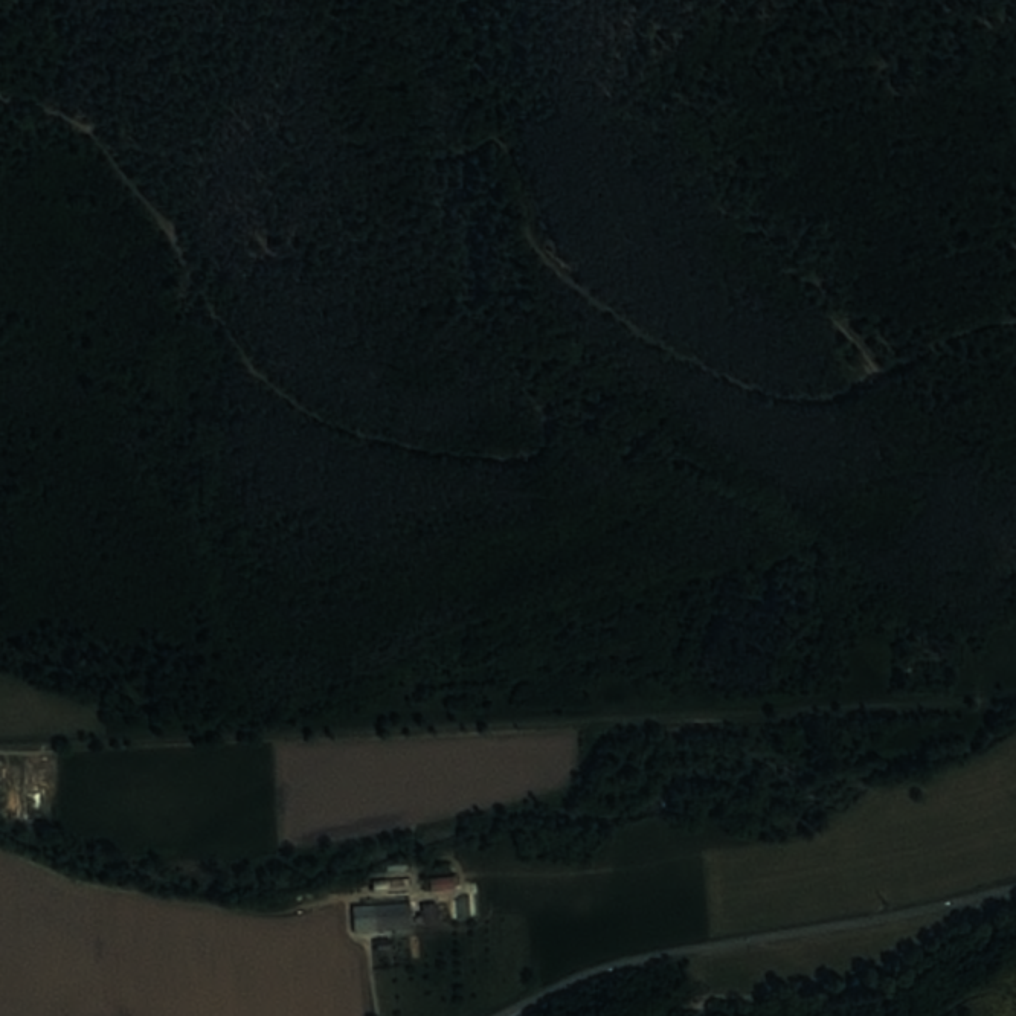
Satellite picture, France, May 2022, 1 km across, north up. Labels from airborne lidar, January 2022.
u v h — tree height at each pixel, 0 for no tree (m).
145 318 13
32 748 0
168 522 18
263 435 24
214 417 16
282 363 17
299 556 23
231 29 24
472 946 0
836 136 13
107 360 13
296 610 22
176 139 24
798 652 23
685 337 20
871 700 0
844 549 21
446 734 0
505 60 14
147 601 11
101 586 12
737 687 20
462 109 28
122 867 19
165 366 15
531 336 26
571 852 15
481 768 0
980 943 17
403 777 0
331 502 23
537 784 0
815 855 0
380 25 24
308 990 0
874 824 0
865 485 19
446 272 20
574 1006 10
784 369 20
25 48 11
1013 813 0
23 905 0
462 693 7
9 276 13
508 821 16
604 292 20
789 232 10
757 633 22
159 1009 0
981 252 13
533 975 16
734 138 13
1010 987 0
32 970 0
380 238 20
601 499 19
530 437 15
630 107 17
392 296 22
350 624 18
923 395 9
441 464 20
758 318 16
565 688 13
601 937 0
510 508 18
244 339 17
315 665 19
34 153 8
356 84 22
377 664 20
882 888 0
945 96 11
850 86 12
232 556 19
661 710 0
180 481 10
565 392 17
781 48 15
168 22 18
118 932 0
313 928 0
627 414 24
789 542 23
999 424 14
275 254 19
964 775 0
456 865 0
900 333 14
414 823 0
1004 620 20
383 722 12
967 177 15
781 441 20
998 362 13
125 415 17
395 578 14
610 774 10
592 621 18
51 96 26
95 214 11
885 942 0
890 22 18
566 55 24
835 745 16
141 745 0
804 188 13
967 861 0
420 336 19
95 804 0
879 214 17
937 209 13
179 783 0
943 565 20
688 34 30
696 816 22
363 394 18
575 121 17
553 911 0
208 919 0
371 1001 0
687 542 19
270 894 15
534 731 0
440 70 26
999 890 0
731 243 18
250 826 0
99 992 0
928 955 17
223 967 0
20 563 12
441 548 15
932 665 7
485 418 19
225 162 23
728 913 0
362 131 21
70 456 11
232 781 0
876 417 19
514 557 13
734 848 0
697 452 22
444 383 18
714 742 22
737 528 16
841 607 15
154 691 28
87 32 28
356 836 0
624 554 22
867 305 13
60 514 11
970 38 24
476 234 28
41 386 13
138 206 13
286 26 22
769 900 0
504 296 28
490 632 13
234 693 15
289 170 15
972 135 10
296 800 0
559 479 20
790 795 12
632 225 20
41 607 11
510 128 14
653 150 17
